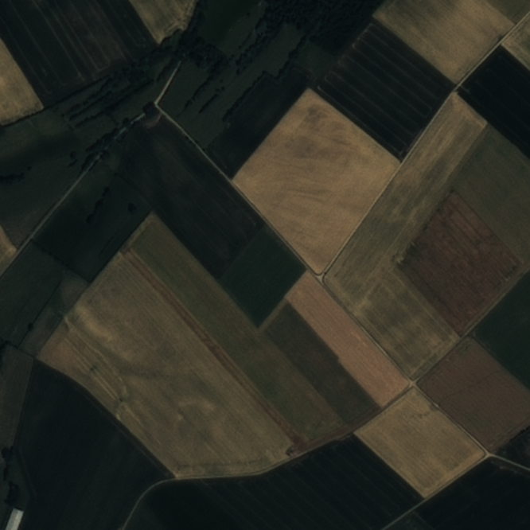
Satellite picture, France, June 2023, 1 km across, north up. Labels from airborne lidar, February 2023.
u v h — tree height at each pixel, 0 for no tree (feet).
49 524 0
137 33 0
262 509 0
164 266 0
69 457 0
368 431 0
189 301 0
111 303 0
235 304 0
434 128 0
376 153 0
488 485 0
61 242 0
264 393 0
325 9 45
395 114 0
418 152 0
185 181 0
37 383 0
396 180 0
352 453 0
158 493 0
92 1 0
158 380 0
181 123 0
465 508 0
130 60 0
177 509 0
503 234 0
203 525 0
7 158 0
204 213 0
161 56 31
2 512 0
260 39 18
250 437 0
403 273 0
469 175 0
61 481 0
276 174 0
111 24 0
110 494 0
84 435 0
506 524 0
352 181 0
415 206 0
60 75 0
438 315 0
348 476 0
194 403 0
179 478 0
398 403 0
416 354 0
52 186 0
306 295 0
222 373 0
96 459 0
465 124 0
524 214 0
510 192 0
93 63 0
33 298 0
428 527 0
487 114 0
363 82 0
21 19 0
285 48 0
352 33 30
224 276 0
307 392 0
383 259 0
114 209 0
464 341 0
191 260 0
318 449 0
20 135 0
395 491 0
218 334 0
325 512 0
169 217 0
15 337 0
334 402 0
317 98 0
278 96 0
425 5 0
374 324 0
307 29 24
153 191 0
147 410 0
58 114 0
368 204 0
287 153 0
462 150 0
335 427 0
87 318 0
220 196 0
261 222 0
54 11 0
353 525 0
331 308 0
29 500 0
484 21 0
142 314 0
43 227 0
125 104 22
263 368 0
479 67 0
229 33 0
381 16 0
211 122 0
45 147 0
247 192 0
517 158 0
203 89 22
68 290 0
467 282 0
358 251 0
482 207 0
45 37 0
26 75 0
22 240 0
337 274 0
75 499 0
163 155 0
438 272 0
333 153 0
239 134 0
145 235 0
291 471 0
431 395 0
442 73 0
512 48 0
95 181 0
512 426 0
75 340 0
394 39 0
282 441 0
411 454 0
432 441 0
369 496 0
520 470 0
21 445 0
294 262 0
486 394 0
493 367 0
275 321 0
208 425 0
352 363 0
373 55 0
